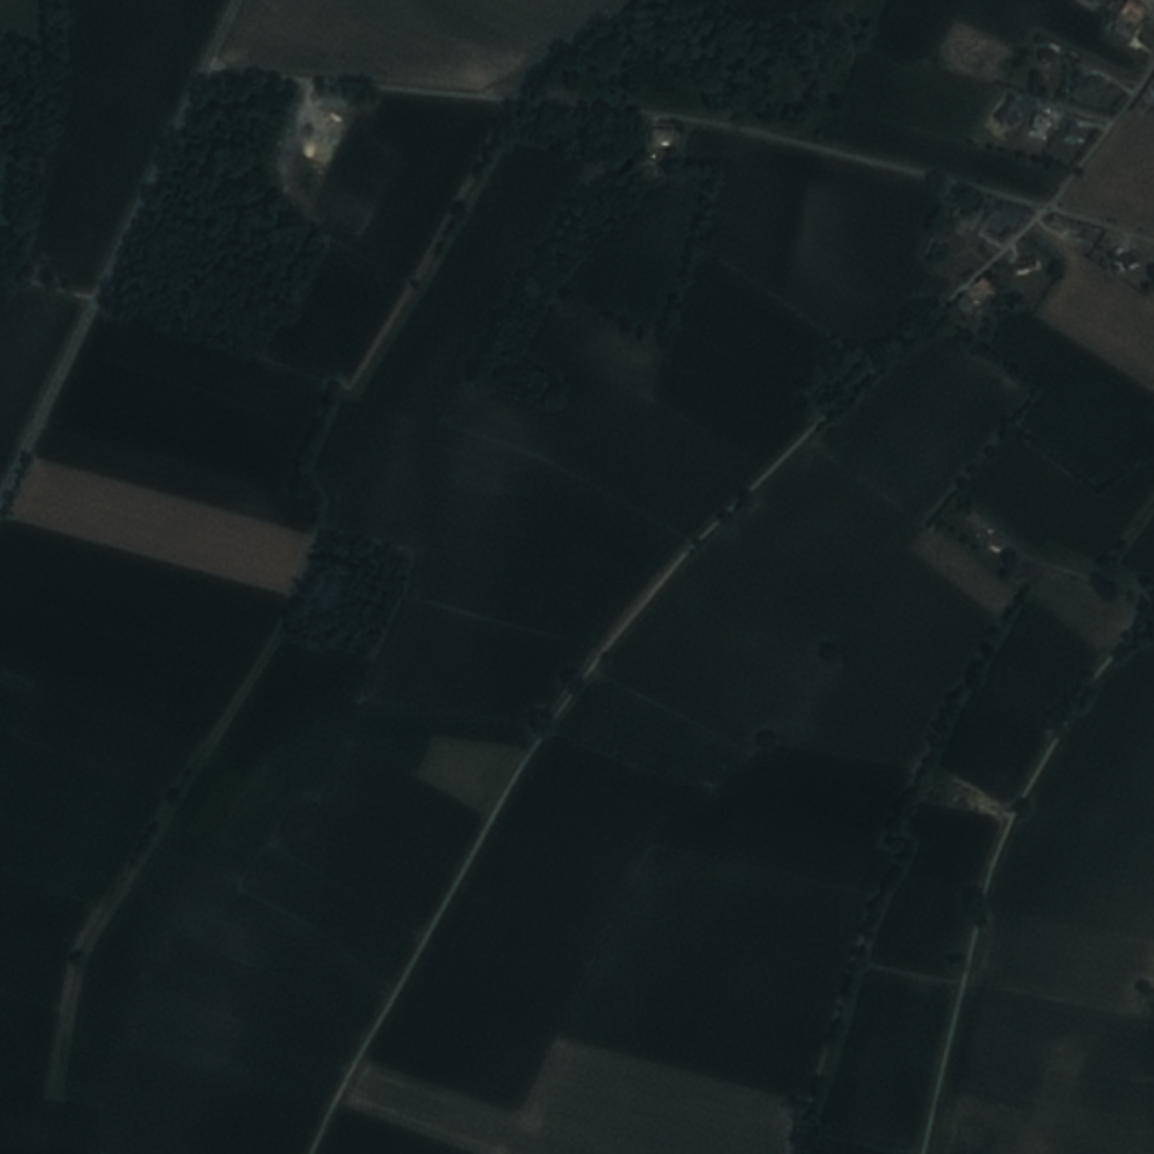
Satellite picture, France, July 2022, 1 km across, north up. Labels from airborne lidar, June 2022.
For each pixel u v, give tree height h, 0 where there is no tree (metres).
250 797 0
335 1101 0
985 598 0
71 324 0
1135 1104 0
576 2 0
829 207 0
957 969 14
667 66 27
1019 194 0
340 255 0
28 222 22
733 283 0
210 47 0
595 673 0
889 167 0
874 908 15
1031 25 0
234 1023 0
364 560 7
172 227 29
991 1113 0
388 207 0
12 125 19
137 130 0
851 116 0
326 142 0
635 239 0
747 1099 0
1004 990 0
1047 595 0
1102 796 0
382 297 0
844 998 9
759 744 11
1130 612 0
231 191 27
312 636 19
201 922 0
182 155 22
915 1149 0
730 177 0
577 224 22
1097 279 0
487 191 0
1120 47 0
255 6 0
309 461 15
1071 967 0
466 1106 0
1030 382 10
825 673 0
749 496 12
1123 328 0
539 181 0
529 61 0
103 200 0
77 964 9
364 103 12
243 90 23
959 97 0
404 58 0
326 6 0
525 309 22
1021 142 0
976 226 0
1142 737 0
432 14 0
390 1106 0
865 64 0
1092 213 0
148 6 0
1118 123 0
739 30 26
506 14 0
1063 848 0
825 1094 11
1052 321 0
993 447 6
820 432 6
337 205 0
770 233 0
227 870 0
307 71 0
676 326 14
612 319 12
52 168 0
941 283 0
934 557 0
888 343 17
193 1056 0
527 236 0
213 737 0
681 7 22
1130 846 0
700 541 10
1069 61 11
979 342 15
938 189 20
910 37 0
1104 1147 0
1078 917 0
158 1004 0
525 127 24
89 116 0
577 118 19
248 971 0
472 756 0
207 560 0
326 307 0
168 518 0
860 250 0
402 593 8
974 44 0
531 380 22
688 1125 0
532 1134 0
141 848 6
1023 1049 0
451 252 0
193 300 26
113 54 0
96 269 0
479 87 0
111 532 0
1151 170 0
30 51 25
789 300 0
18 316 0
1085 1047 0
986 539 0
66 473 0
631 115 21
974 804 0
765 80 25
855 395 8
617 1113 0
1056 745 0
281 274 23
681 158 10
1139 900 0
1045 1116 0
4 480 0
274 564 0
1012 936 0
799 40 15
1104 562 15
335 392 14
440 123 0
